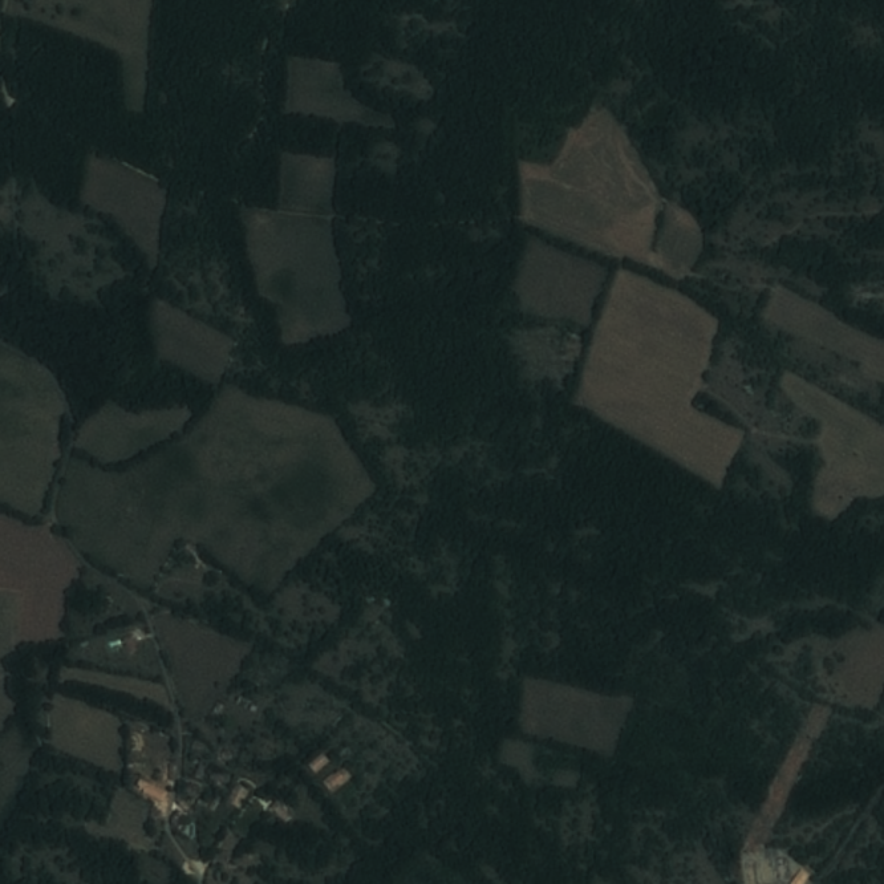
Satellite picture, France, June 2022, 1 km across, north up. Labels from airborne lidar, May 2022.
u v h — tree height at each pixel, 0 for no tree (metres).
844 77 13
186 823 12
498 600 7
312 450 0
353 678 9
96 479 0
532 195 0
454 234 7
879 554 9
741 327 6
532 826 6
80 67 12
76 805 9
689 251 0
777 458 7
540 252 0
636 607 10
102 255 8
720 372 0
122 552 0
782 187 7
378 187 11
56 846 11
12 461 0
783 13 6
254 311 12
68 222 0
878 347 0
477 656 10
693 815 6
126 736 6
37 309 15
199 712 0
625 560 8
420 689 7
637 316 0
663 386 0
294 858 12
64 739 0
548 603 7
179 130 8
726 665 7
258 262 0
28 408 0
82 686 13
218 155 11
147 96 9
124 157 13
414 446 7
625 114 9
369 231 7
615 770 10
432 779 8
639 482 8
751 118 5
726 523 8
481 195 12
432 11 8
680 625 8
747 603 6
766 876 0
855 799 9
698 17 20
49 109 12
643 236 0
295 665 8
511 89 12
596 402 0
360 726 0
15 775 0
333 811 10
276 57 10
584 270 0
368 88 10
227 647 0
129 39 0
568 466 9
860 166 8
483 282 14
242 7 9
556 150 0
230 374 9
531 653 9
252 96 9
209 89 9
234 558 0
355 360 9
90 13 0
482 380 9
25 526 8
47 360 14
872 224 11
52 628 0
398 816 11
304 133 8
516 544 8
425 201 10
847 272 10
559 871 7
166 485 0
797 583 8
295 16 11
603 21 8
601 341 0
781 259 10
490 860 11
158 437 0
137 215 0
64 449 7
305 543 0
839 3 10
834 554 9
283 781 10
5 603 0
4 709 0
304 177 0
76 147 13
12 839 15
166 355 0
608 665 8
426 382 10
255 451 0
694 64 12
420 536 8
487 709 11
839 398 9
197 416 11
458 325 6
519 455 7
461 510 10
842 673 0
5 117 11
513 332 8
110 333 12
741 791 11
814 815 8
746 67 18
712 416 10
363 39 9
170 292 6
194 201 6
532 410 7
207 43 10
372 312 10
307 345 9
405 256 10
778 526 7
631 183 0
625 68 9
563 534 7
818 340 0
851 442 0
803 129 9
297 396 8
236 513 0
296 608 0
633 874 0
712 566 8
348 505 0
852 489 0
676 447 0
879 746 7
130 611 0
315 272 0
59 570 0
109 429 0
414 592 9
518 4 13
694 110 6
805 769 7
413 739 7
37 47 9
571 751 10
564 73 10
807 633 8
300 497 0
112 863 11
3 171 11
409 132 8
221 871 7
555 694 0
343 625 8
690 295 8
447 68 7
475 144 15
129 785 17
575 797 7
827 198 7
